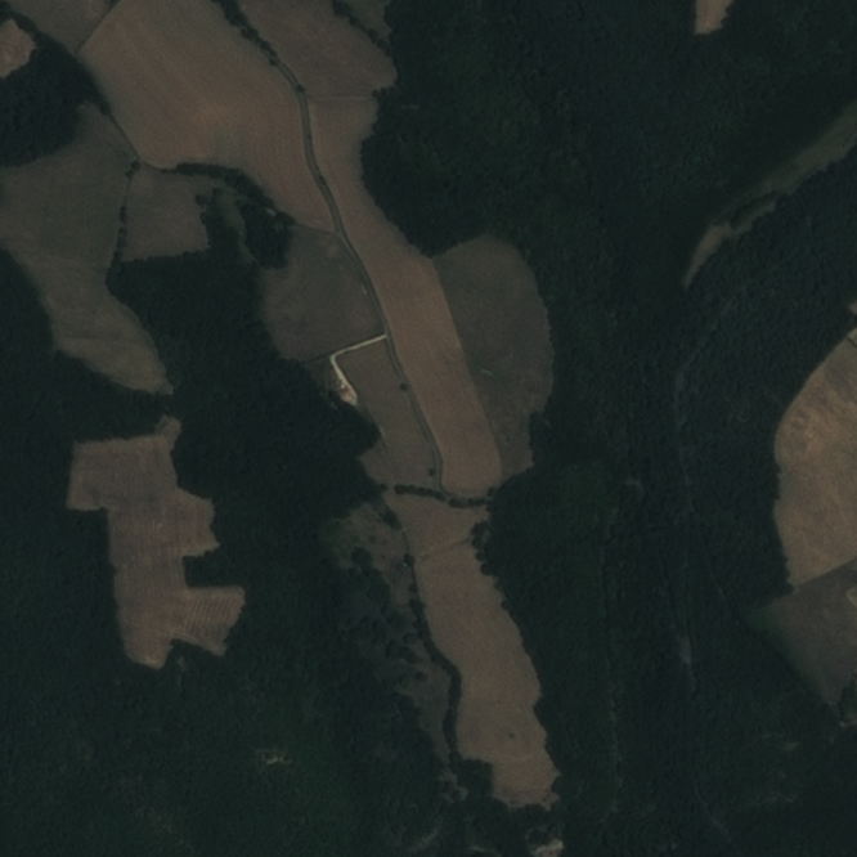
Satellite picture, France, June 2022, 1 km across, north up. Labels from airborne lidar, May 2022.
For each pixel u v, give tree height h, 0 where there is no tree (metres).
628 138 18
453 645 0
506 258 0
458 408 0
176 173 10
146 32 0
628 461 10
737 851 14
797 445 0
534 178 13
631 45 18
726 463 12
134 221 0
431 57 15
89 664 12
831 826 10
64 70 19
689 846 28
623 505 14
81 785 11
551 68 22
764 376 11
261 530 13
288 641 10
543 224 13
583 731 17
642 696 15
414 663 10
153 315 16
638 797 17
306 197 0
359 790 15
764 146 13
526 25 24
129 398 8
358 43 0
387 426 0
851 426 0
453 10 20
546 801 0
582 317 11
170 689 12
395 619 12
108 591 15
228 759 8
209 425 15
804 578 0
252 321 21
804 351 10
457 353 0
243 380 18
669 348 18
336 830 11
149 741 9
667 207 12
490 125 17
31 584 13
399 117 14
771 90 21
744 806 6
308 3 0
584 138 16
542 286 11
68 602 18
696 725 17
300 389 16
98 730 10
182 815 11
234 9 15
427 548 0
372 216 0
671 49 12
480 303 0
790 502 0
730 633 11
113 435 8
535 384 0
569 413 12
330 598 22
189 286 19
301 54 0
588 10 21
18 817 10
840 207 15
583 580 11
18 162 12
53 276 0
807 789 6
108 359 0
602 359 11
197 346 7
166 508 0
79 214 0
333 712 11
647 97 19
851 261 17
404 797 11
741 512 15
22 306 15
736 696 13
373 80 0
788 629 0
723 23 8
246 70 0
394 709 13
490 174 23
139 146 0
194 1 0
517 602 14
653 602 22
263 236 15
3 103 24
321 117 0
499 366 0
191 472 19
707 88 17
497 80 19
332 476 16
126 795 6
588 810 10
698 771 18
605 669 13
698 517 16
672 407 12
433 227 20
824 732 7
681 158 12
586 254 13
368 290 0
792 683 10
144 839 10
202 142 0
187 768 10
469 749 0
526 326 0
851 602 0
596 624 14
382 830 12
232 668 12
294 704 8
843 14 18
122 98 0
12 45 0
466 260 0
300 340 0
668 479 11
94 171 0
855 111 0
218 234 14
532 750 0
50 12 0
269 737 6
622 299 15
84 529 11
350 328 0
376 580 14
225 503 14
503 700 0
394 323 0
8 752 7
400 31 19
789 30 16
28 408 13
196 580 11
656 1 13
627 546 17
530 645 15
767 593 14
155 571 0
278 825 12
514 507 16
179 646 10
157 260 8
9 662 11
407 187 26
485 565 11
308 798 7
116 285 15
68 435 14
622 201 14
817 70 18
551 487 11
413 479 0
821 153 0
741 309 10
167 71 0
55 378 11
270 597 15
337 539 0
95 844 10
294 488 17
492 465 0
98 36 0
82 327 0
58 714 10
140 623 0
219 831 13
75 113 14
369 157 17
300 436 23
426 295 0
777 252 19
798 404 0
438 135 16
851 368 0
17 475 12
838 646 0
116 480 0
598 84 20
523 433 0
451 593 0
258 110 0
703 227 16
